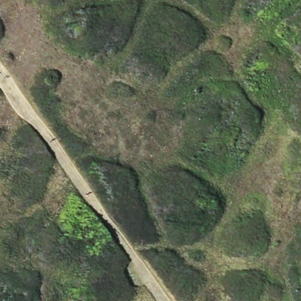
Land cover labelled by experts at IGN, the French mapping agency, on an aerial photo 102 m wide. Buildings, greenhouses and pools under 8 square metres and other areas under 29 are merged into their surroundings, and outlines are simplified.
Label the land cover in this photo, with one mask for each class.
<instances>
[{"label":"herbaceous vegetation","instance_id":"1","mask_svg":"<svg viewBox=\"0 0 301 301\"><path fill-rule=\"evenodd\" d=\"M52 7V14L46 15L48 24L45 25V31L54 35L55 44L65 45V51L81 58L87 53L89 58L96 55L99 58L96 63L109 67L115 74L127 73L128 66L140 69L139 83L135 82L133 86H129L127 83L114 81L106 88V96L108 99L135 96L141 106L136 111V116L141 119L139 131L145 132L148 152L158 153L162 146L169 145L173 139L172 128L179 126L181 120L185 121L186 126L182 128L183 136L179 141L178 152L162 153L153 159L139 155L127 163L113 158L101 159L92 141L79 138L68 128L66 121L61 119V99L55 94L62 74L54 68H45L35 75L31 95L36 107L39 108V113L58 136L69 158L74 161L83 178L94 190L101 205L118 223L133 246L159 242L160 239H169L179 246L194 245L201 241L209 248L219 246L225 249L227 256L243 257L246 260L245 269L227 270L226 275L221 277V285L225 287V294L230 297V301H301V0H47ZM245 24L254 29L253 41L241 49L240 52L246 54V62L234 72L233 66L222 55L230 48L225 38L226 27H242ZM288 129H293L299 134L289 143L288 154L281 161L280 155L276 152L280 147V135H287ZM12 155H8L7 162L0 165V301H134L138 295V285H135L132 276L129 275V266L131 256L121 245L115 229L81 194L79 198L95 215L86 227H82L80 221L74 219L72 230H62L58 223L60 214L41 209L36 210L32 216H26L27 208L45 199L48 182L55 173L54 166L58 161L44 136L27 122L16 129ZM161 277L176 301H193L198 295L199 287L207 283V276L203 270L188 265L185 257L172 248L142 249L139 253Z\"/></svg>","mask_w":301,"mask_h":301},{"label":"bare soil","instance_id":"2","mask_svg":"<svg viewBox=\"0 0 301 301\"><path fill-rule=\"evenodd\" d=\"M52 14V7L47 0H0V61L8 72L12 73L21 92L39 113V108L36 107L31 95L35 75L45 68H54L62 74L55 94L61 99V119L66 121L68 128L79 138L92 141L101 159L113 158L127 163L139 155L153 159L162 153L178 152L179 141L183 136L182 128L186 126L185 121L181 120L179 126L172 128L173 139L169 145L162 146L158 153L148 152L145 132L139 131L141 119L136 116V111L141 106L135 96L108 99L106 96V88L114 81L127 83L129 86H133L135 82L139 83L140 69L128 66L127 73L115 74L109 67L96 63L99 58L96 55L89 58L87 53L81 58L65 51V45L55 44L54 35L45 31V25L48 24L46 15ZM254 29L245 24L242 27H226L225 38L230 48L222 55L233 66L234 72L246 62V54L240 52L241 49L253 41ZM27 122L13 111L0 88V165L7 162L8 155H12L16 129ZM299 134L293 129H288L287 135H280V147L276 152L280 155L281 161L288 154L289 143ZM55 173L48 182L45 199L27 208L26 216H32L36 210L41 209L60 214L66 206L69 194L79 198L81 194L58 161L54 166ZM139 253L142 249L172 248L185 257L188 265L203 270L207 276V283L199 287L198 295L193 301H230V297L225 294V287L221 285V277L226 275L227 270L245 269L246 260L243 257L227 256L225 249L219 246L209 248L201 241L194 245L179 246L169 239H160L159 242L133 246ZM129 275L132 276L135 285H138V295L134 301H156L154 294L143 285L139 274L129 266Z\"/></svg>","mask_w":301,"mask_h":301},{"label":"pervious surface","instance_id":"3","mask_svg":"<svg viewBox=\"0 0 301 301\"><path fill-rule=\"evenodd\" d=\"M0 88L13 111L27 122L44 136L58 161L81 194L115 229L121 245L131 256L129 266L139 274L143 285L154 294L156 301H176L161 277L139 253L133 246L118 223L101 205L94 190L83 178L74 161L69 158L58 136L39 113L21 92L12 73L8 72L0 61Z\"/></svg>","mask_w":301,"mask_h":301},{"label":"brushwood","instance_id":"4","mask_svg":"<svg viewBox=\"0 0 301 301\"><path fill-rule=\"evenodd\" d=\"M95 215L79 198L69 194L66 206L60 214L58 223L62 230H72L74 219L80 221L82 227H86Z\"/></svg>","mask_w":301,"mask_h":301}]
</instances>
